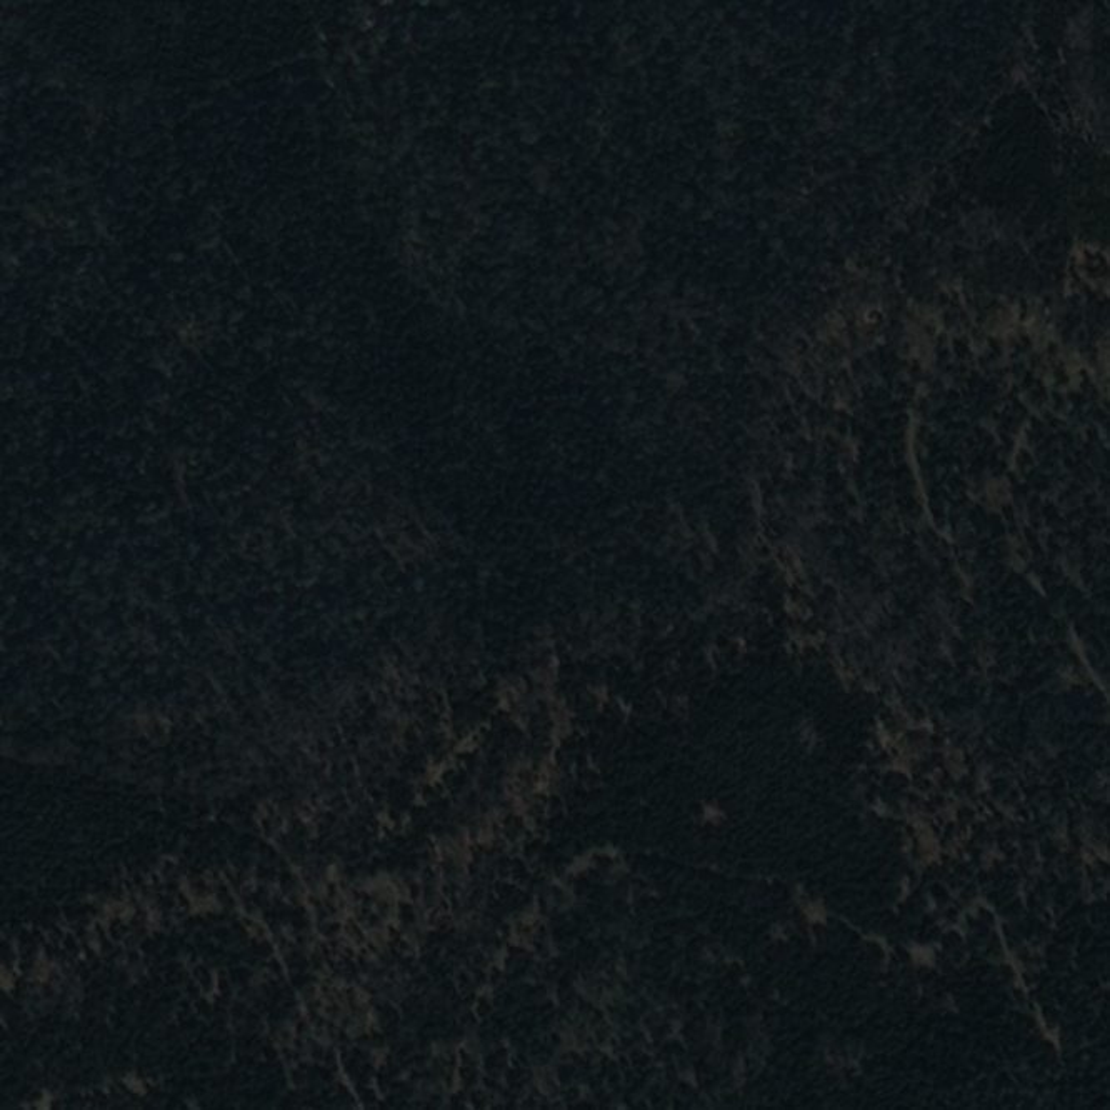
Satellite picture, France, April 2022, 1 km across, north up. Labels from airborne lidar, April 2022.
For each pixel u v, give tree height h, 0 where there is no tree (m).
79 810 15
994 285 19
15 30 20
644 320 25
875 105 17
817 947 16
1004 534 32
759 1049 26
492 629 27
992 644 29
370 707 18
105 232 19
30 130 35
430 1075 24
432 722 18
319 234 23
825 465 20
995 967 7
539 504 14
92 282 30
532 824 21
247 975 23
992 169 6
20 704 18
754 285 22
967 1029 14
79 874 15
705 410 26
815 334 24
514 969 20
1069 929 26
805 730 22
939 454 22
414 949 8
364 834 16
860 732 15
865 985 22
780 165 5
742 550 28
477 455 22
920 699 9
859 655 20
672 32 22
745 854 21
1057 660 24
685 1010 20
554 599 29
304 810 18
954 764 9
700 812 20
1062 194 8
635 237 24
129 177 17
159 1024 22
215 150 27
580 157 26
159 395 31
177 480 16
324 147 29
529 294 25
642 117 28
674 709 11
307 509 16
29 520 28
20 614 13
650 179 26
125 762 24
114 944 30
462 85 27
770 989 21
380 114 11
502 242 27
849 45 28
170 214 15
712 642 19
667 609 25
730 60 27
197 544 30
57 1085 21
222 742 22
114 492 38
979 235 30
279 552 29
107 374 28
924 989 14
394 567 25
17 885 10
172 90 22
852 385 25
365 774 13
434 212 27
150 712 19
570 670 14
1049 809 25
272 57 25
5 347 35
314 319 30
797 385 17
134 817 15
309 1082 20
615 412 23
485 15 30
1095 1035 28
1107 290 20
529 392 21
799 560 25
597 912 21
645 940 26
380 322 24
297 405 20
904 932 22
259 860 18
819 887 23
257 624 29
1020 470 8
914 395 13
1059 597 36
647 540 22
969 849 7
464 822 19
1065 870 15
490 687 12
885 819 8
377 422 26
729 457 27
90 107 15
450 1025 23
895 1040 17
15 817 18
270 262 24
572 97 28
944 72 29
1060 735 30
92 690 18
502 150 28
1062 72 17
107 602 20
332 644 14
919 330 20
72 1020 18
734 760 25
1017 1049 12
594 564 15
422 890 14
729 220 15
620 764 18
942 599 26
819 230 18
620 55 26
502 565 22
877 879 29
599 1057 29
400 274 27
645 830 24
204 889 25
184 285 29
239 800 7
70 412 24
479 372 25
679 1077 33
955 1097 15
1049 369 24
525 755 23
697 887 22
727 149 26
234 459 30
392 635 17
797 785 23
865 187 16
